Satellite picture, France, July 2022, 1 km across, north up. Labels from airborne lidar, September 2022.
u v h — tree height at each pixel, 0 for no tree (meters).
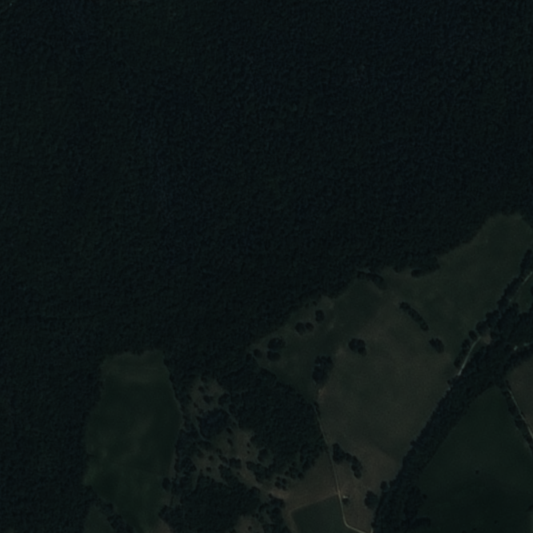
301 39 24
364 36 19
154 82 17
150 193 24
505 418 0
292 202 16
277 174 19
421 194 21
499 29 23
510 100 22
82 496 11
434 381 0
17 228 14
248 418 17
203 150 22
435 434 24
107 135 15
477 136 11
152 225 15
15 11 14
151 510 0
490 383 12
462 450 0
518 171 15
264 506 12
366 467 0
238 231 20
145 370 0
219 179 23
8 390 15
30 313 13
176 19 8
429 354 0
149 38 14
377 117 17
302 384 0
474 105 16
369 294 0
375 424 0
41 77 16
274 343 16
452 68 25
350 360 0
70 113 18
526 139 20
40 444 7
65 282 10
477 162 20
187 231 17
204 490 12
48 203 12
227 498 11
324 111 16
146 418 0
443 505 0
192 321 14
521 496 0
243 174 17
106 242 8
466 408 11
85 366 11
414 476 21
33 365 8
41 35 17
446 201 16
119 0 12
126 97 21
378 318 0
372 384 0
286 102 23
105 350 14
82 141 20
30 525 20
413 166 17
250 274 11
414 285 0
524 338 11
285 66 21
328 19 13
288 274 12
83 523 13
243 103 23
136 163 10
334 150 16
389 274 0
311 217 20
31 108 12
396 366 0
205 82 22
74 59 23
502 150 12
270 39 19
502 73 18
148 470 0
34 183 16
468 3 21
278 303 16
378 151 19
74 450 15
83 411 20
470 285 0
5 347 8
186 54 13
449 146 17
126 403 0
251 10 11
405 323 0
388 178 22
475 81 16
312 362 0
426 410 0
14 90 12
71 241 14
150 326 9
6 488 16
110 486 0
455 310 0
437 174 17
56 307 19
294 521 0
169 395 0
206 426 16
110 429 0
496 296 0
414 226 18
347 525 0
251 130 24
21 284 13
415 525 19
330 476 0
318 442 6
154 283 14
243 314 13
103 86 12
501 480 0
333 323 0
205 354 15
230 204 12
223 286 20
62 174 18
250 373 14
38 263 12
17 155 13
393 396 0
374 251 13
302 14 18
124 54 17
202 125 22
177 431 0
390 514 17
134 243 13
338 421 0
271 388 14
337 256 18
